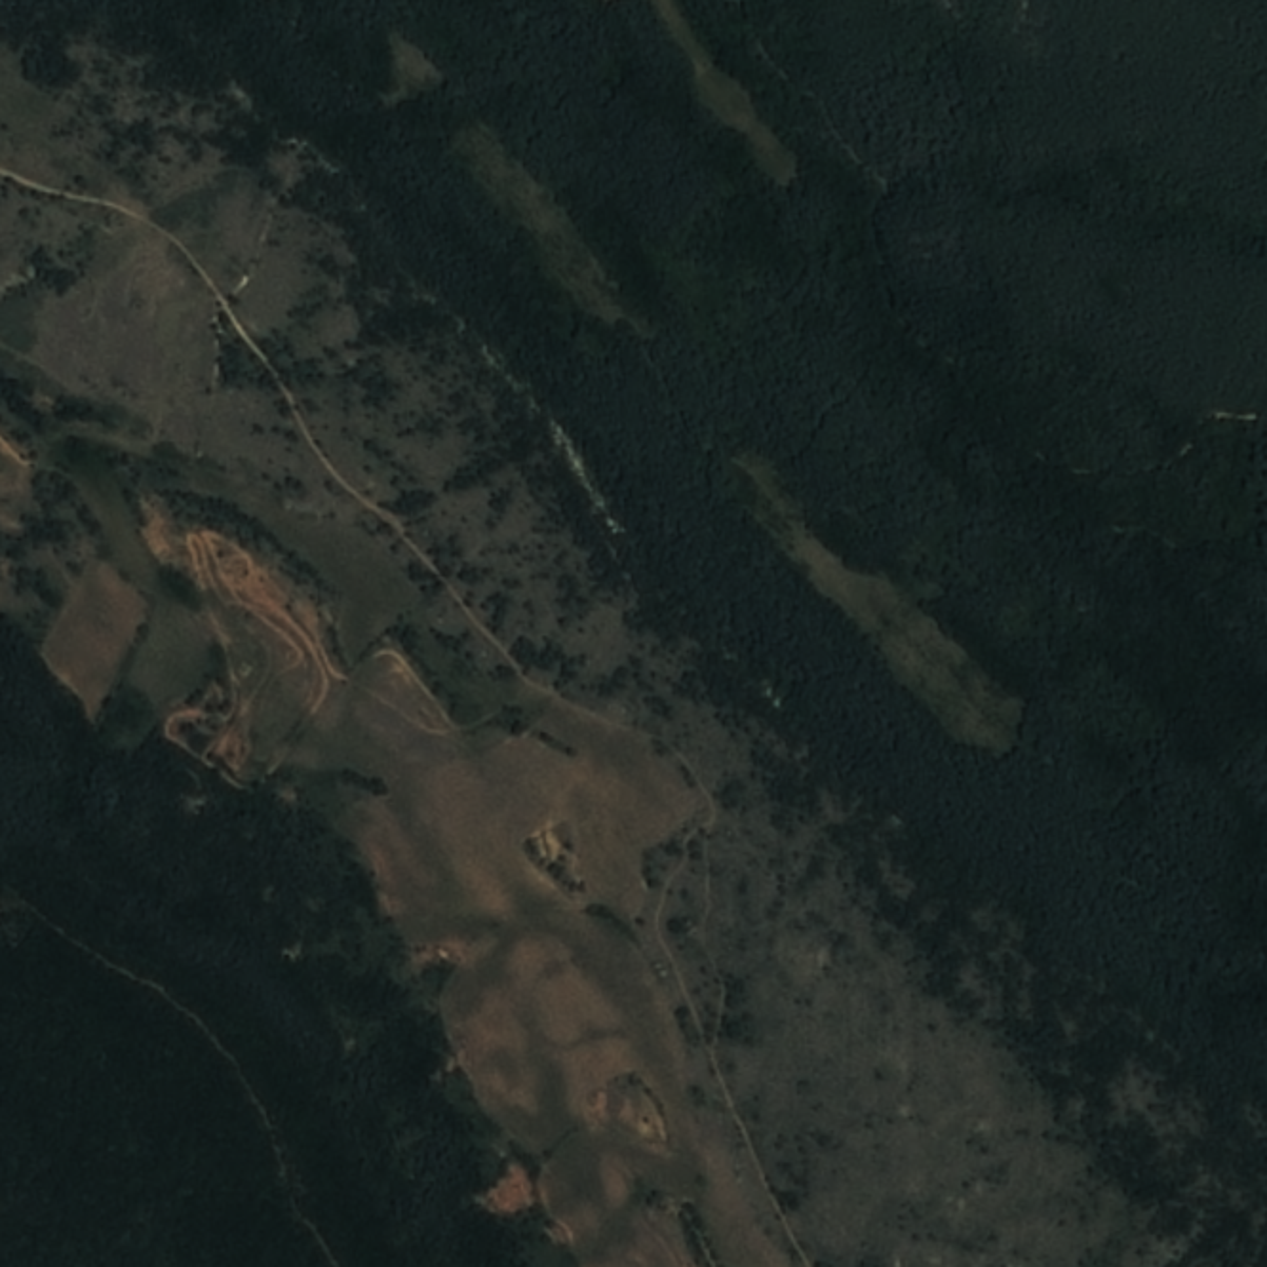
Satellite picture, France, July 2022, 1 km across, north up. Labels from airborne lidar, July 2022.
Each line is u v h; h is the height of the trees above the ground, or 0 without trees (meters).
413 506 12
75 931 7
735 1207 0
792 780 6
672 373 10
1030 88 14
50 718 10
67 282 9
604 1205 0
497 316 15
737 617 18
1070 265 12
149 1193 6
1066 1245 0
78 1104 8
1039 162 13
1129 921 13
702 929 0
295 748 0
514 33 16
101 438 0
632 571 13
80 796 8
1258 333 11
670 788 0
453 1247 11
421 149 14
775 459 6
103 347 0
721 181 12
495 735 0
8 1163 7
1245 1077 10
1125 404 15
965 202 14
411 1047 7
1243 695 14
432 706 0
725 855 0
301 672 0
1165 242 10
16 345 0
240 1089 6
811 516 6
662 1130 0
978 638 12
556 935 0
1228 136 9
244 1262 5
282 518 0
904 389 14
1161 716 9
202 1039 6
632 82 15
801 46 10
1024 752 12
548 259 0
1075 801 14
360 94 13
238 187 0
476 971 0
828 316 15
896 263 11
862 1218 0
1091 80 12
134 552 0
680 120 14
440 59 12
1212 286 10
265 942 8
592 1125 0
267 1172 7
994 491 7
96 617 0
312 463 0
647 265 11
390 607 0
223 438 0
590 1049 0
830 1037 0
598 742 0
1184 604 11
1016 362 15
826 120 17
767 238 11
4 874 6
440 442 0
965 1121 0
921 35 9
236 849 6
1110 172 13
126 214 0
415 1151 8
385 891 0
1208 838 10
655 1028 0
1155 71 10
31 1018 6
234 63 11
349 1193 7
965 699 0
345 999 6
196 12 8
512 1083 0
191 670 0
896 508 9
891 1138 0
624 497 14
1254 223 6
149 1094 6
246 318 0
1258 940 11
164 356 0
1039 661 12
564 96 14
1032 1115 0
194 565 0
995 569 8
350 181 14
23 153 0
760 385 10
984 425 17
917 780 18
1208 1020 17
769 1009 0
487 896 0
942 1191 0
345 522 0
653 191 17
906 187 17
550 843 0
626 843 0
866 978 0
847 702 18
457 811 0
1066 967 11
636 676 9
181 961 7
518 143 10
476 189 8
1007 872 17
